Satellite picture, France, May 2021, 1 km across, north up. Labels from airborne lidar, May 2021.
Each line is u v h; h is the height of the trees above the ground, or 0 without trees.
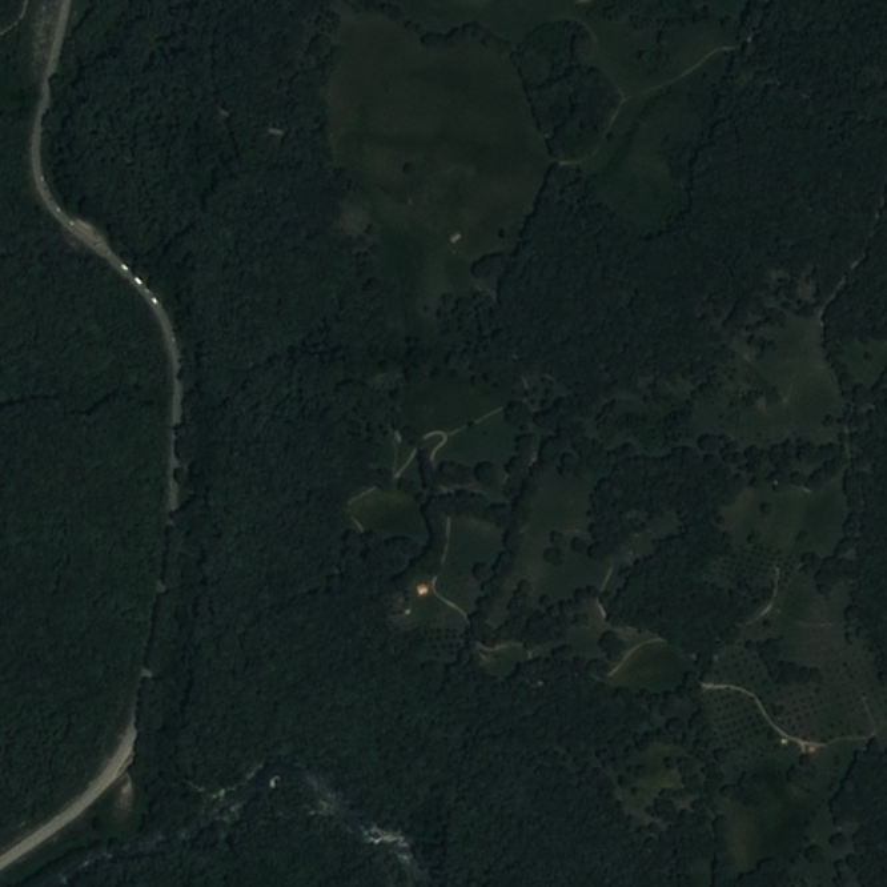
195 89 17
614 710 17
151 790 20
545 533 0
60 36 0
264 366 17
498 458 0
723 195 15
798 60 10
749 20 18
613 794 9
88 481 16
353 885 20
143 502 15
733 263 13
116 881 15
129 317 6
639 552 0
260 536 18
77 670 16
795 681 12
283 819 9
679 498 12
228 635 13
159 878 15
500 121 0
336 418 16
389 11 14
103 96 19
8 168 14
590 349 12
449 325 9
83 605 14
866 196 8
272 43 15
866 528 12
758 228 12
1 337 10
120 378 13
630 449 15
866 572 7
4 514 14
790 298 11
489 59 0
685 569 11
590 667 11
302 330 18
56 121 13
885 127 13
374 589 16
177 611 17
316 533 11
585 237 12
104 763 0
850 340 11
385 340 14
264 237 9
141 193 15
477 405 0
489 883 7
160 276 19
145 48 20
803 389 0
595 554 15
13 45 7
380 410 16
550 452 14
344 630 15
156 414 15
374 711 11
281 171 16
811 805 0
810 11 10
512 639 8
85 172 19
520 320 13
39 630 18
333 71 6
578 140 11
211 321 17
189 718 18
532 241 14
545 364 15
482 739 17
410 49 0
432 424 0
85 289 8
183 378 16
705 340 12
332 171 11
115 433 16
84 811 0
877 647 8
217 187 20
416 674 16
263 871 7
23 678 15
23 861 0
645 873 6
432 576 10
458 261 0
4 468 9
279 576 17
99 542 10
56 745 9
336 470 11
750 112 11
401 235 0
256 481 12
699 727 12
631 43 0
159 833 17
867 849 16
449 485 14
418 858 20
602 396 14
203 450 22
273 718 15
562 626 13
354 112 0
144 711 19
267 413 14
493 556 0
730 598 11
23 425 18
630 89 0
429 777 18
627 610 7
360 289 17
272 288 15
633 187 0
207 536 19
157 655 22
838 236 14
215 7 18
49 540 13
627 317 13
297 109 13
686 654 9
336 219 10
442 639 7
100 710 6
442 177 0
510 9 0
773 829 0
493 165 0
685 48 0
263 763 14
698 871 0
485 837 6
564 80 15
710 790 8
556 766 11
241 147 17
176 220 8
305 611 15
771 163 12
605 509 9
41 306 15
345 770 11
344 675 12
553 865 14
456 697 6
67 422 15
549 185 13
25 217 16
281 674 14
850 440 8
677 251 17
